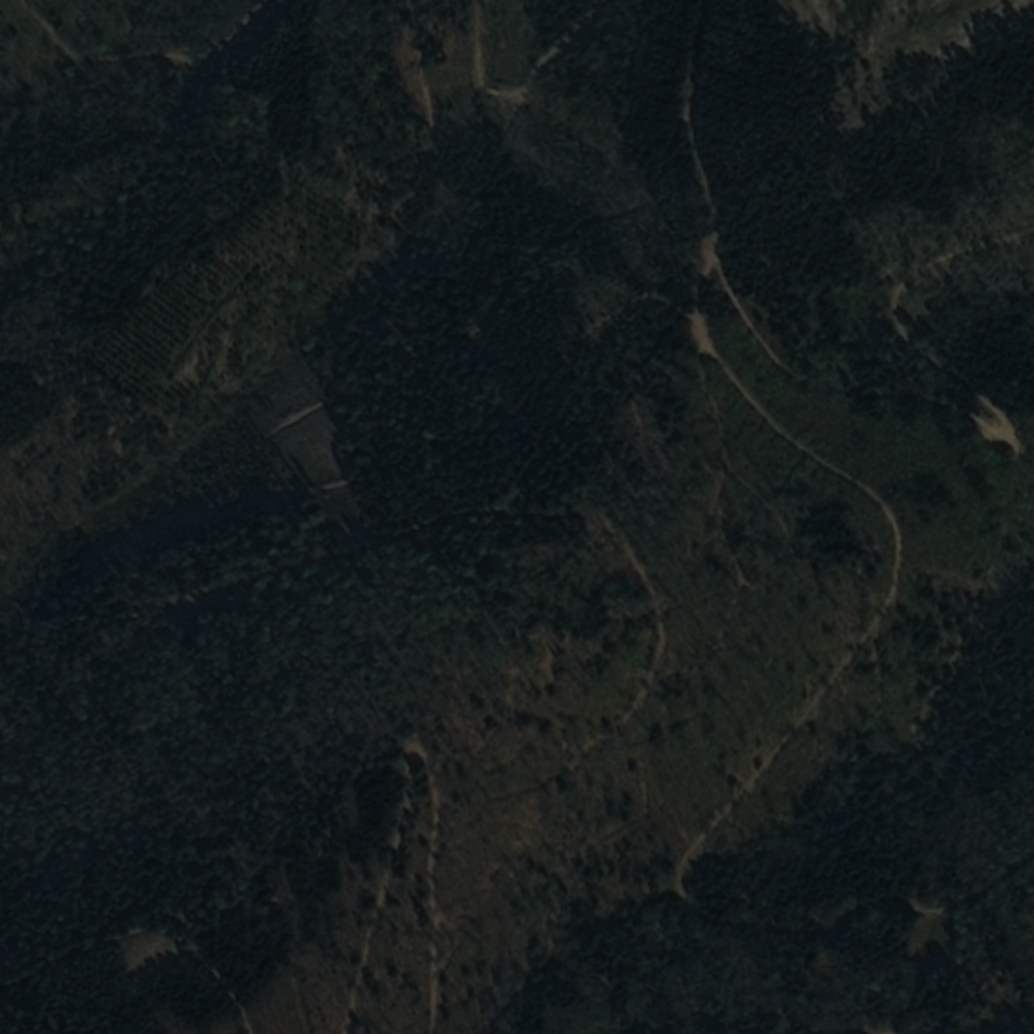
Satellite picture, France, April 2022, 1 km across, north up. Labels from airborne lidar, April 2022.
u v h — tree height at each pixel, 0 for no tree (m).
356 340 30
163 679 34
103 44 32
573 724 11
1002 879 20
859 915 20
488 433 28
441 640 31
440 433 29
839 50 17
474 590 26
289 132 23
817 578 7
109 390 26
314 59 21
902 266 19
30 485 30
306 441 0
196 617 8
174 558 35
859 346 11
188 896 8
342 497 0
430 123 25
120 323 8
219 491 6
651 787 9
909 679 13
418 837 6
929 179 27
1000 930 21
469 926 10
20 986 14
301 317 8
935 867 28
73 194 29
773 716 15
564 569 29
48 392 14
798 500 11
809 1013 27
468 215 28
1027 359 20
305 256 7
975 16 0
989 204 25
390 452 22
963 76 28
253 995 16
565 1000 28
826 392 11
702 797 9
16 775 36
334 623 36
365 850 19
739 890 28
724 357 18
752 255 29
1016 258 23
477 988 12
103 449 34
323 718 31
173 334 10
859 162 23
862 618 12
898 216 26
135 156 28
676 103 19
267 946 21
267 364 25
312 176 7
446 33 31
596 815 14
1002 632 40
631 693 5
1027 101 26
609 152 14
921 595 17
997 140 20
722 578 31
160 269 17
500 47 0
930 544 10
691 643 10
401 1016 14
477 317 18
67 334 21
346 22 24
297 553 37
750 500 9
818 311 17
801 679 12
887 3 0
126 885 31
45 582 28
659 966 14
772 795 12
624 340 13
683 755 11
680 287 15
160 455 34
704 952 26
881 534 10
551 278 13
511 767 12
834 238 30
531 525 12
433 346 18
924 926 0
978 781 26
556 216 16
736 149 18
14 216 32
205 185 18
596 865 17
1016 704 27
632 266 12
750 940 29
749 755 9
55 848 9
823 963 0
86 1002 21
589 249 15
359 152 27
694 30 20
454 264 29
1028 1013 10
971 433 13
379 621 34
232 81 27
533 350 14
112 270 25
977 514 16
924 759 27
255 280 7
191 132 28
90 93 27
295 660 8
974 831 24
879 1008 28
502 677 34
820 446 13
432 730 34
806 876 30
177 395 10
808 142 24
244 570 34
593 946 30
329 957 19
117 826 34
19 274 31
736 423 10
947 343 18
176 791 34
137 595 38
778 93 17
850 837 21
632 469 13
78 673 32
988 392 23
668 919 33
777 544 7
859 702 13
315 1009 17
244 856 30
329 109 23
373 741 29
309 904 14
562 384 16
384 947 12
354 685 32
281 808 28
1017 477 13
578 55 7
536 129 12
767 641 33
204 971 17
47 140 16
